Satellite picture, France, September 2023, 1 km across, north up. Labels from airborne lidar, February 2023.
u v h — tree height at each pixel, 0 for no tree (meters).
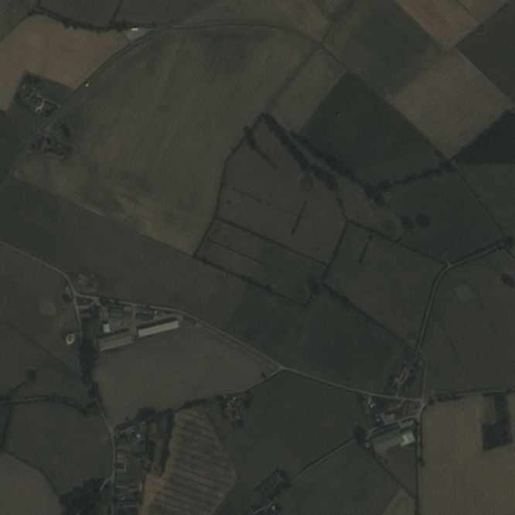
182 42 0
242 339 0
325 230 0
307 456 0
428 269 0
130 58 0
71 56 0
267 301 0
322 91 0
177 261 0
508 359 0
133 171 0
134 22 0
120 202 0
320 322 0
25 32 0
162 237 0
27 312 0
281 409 0
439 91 0
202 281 0
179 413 0
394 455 0
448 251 0
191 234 0
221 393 0
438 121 0
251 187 0
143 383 0
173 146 0
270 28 0
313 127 0
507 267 0
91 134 0
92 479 0
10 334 0
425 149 0
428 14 0
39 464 0
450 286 0
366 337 0
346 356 0
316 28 0
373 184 0
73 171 0
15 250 0
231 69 0
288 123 0
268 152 0
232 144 0
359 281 0
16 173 0
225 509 0
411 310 0
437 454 0
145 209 0
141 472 0
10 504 0
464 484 0
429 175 10
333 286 0
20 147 0
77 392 0
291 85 0
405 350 0
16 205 0
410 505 0
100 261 0
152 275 0
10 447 0
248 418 0
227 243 0
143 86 0
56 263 0
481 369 0
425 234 0
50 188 0
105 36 0
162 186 0
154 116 0
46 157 0
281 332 0
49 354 0
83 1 0
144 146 0
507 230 0
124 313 0
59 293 0
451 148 0
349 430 0
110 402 0
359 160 0
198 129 0
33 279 0
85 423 0
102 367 0
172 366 0
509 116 14
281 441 0
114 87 0
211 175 0
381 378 0
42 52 0
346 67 0
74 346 0
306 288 0
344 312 0
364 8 0
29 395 0
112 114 0
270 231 0
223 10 0
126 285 0
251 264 0
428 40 0
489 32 0
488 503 0
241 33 0
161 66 0
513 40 0
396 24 0
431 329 0
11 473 0
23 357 0
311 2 0
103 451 0
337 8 0
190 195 0
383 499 0
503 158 11
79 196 0
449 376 0
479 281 0
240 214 0
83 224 0
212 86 0
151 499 0
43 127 0
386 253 0
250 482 0
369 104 0
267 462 0
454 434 0
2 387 0
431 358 0
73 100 0
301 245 0
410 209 0
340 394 0
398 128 0
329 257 0
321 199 0
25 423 0
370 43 0
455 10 0
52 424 0
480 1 0
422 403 0
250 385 0
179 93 0
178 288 0
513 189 0
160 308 0
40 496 0
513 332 0
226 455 0
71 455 0
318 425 0
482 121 0
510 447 0
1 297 0
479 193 0
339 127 0
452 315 0
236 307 0
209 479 0
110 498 0
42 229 0
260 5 0
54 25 0
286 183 0
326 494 0
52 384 0
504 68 0
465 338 0
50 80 0
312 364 0
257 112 0
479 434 0
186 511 0
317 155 13
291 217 0
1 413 0
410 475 0
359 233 0
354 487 0
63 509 0
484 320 0
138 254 0
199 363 0
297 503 0
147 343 0
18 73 0
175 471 0
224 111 0
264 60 0
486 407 0
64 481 0
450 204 0
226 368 0
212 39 0
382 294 0
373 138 0
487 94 0
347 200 0
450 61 0
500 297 0
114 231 0
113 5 0
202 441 0
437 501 0
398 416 0
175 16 0
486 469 0
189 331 0
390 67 0
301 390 0
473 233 0
